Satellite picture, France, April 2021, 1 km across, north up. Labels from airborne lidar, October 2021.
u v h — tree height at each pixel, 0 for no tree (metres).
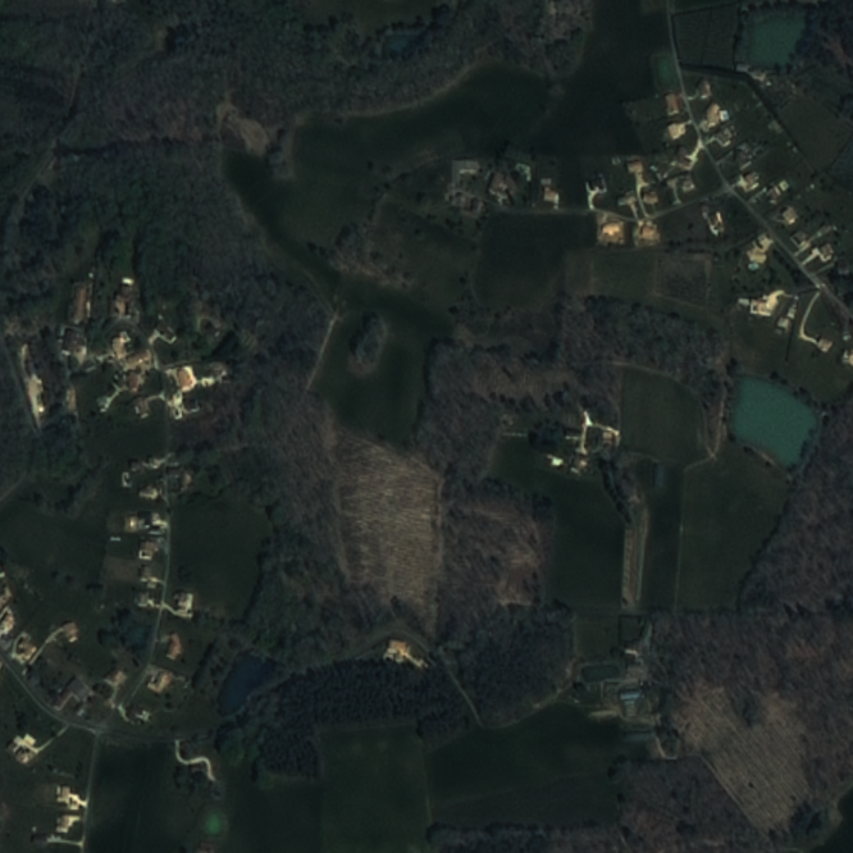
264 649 17
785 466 0
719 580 0
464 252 0
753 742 0
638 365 20
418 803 0
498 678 25
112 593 0
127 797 0
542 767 0
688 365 18
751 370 0
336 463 24
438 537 20
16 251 16
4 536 0
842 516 20
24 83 10
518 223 0
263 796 0
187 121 12
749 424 0
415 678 18
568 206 0
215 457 22
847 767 11
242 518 0
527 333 9
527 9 18
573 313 23
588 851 11
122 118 16
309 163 0
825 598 15
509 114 0
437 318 0
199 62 16
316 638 19
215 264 20
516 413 20
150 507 0
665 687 18
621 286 0
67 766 0
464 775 0
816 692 19
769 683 6
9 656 0
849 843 0
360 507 0
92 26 16
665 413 0
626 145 0
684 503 0
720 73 12
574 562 0
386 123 0
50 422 12
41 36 23
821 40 17
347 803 0
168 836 0
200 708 0
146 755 0
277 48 24
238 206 17
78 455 13
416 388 0
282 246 0
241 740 19
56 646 0
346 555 0
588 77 0
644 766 16
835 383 0
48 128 7
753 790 0
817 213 5
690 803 12
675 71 0
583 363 19
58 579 9
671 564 0
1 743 0
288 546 13
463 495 14
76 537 0
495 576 18
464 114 0
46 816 0
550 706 0
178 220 24
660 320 14
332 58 21
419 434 18
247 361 12
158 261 25
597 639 0
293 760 17
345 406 0
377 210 6
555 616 18
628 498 19
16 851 0
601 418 19
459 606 18
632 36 0
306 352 20
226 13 25
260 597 17
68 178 16
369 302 0
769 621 12
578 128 0
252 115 9
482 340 0
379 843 0
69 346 0
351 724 17
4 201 10
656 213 0
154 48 7
